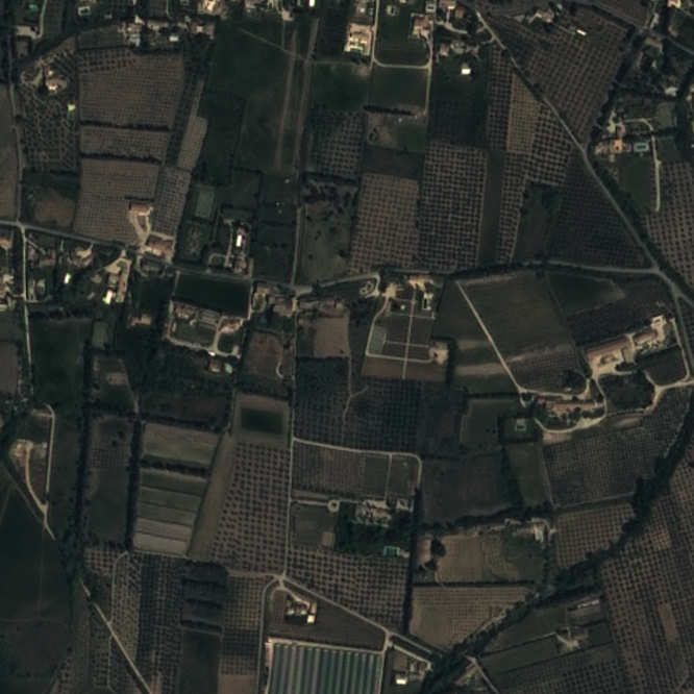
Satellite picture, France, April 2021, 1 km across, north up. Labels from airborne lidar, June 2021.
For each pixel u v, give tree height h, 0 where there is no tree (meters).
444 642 0
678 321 7
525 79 9
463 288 0
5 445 12
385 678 6
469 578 0
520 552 0
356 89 0
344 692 0
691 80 17
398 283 15
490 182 0
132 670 9
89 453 11
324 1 12
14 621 0
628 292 0
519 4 0
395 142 0
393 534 10
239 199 0
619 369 8
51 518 0
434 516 0
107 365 0
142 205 0
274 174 0
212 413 0
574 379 11
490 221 0
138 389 13
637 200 7
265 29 0
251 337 8
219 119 0
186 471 17
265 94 0
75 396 0
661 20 7
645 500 20
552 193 11
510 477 7
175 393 16
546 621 0
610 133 8
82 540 18
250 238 6
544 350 0
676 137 6
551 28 8
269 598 0
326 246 0
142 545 0
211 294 0
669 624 0
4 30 17
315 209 0
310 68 0
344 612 0
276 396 10
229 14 0
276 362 0
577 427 0
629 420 0
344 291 0
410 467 0
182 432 0
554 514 6
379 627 0
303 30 0
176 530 0
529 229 0
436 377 0
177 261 7
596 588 9
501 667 0
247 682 0
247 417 0
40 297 9
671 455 6
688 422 9
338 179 15
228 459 0
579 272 9
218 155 0
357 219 7
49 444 0
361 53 0
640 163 0
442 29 11
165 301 11
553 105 0
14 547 0
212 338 0
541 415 23
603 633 0
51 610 0
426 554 0
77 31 6
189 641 0
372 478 0
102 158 14
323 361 10
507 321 0
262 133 0
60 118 6
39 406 16
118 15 8
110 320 0
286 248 10
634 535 20
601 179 6
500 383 0
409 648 8
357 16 0
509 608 0
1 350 0
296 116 0
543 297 0
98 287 0
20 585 0
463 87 0
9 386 0
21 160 0
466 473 0
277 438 0
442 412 0
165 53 10
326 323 0
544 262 8
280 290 7
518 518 12
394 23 0
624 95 6
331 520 0
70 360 0
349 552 10
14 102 0
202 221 6
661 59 11
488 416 0
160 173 0
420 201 6
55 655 0
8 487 0
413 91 0
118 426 0
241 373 9
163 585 0
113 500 0
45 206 0
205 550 0
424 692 10
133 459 6
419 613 0
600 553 11
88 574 8
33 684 0
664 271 7
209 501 0
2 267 0
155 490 0
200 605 9
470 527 9
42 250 7
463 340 0
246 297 0
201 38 16
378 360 0
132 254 11
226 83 0
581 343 7
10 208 0
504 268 11
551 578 12
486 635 10
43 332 0
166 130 13
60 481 0
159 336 13
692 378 0
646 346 7
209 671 0
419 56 0
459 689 10
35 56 7
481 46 6
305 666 0
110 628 0
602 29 7
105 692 0
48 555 0
